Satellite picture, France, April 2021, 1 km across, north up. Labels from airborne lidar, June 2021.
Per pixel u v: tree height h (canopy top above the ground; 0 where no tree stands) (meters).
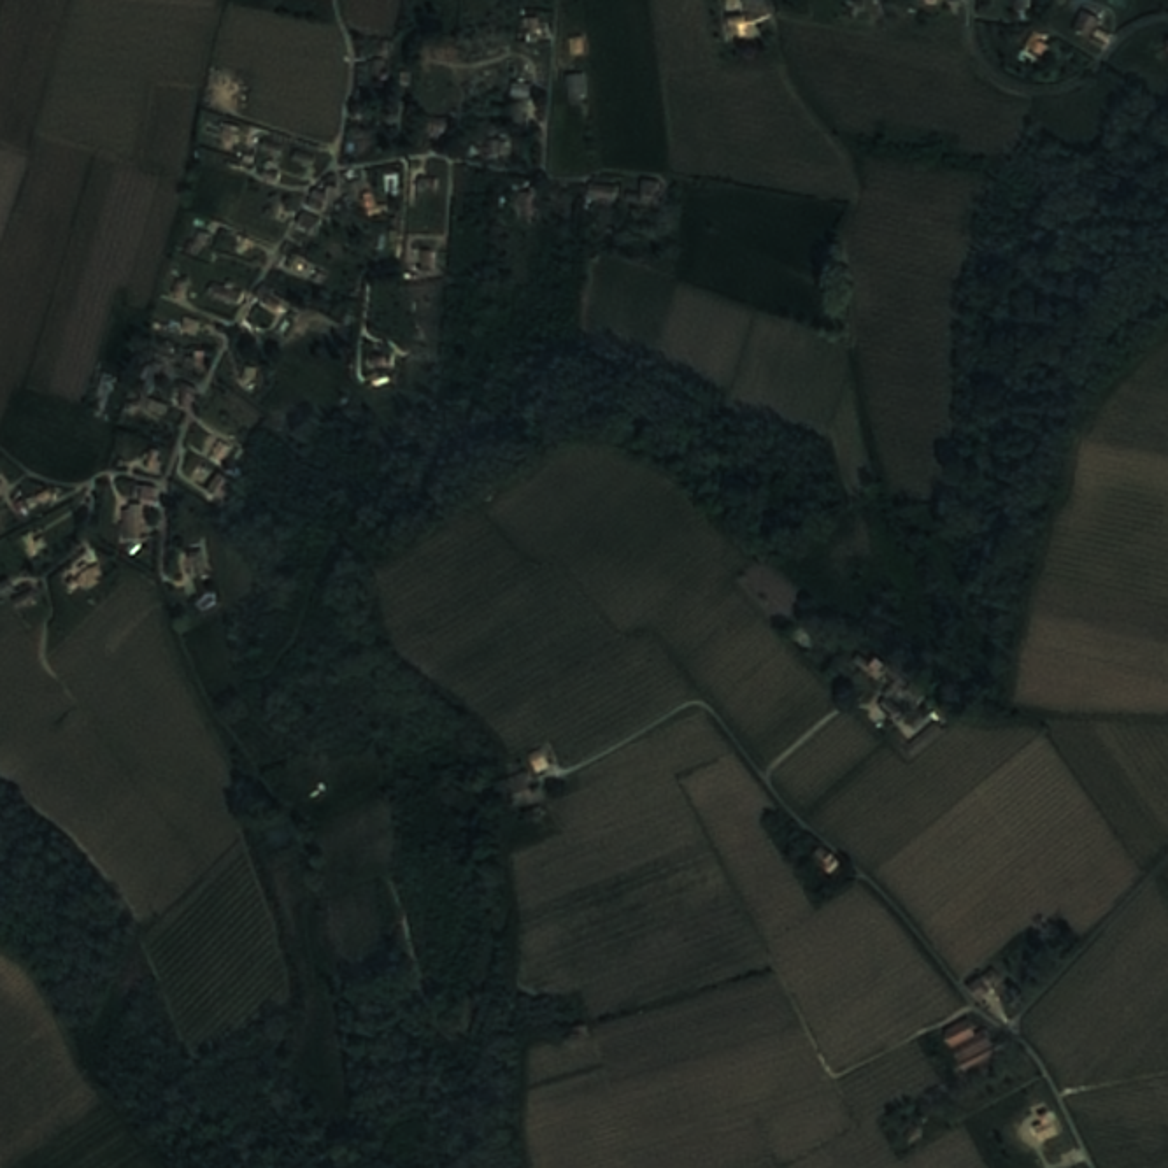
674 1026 0
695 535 0
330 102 0
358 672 18
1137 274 21
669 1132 0
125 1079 14
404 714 13
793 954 0
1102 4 0
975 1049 0
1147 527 0
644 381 22
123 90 0
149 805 0
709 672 0
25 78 0
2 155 0
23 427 0
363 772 0
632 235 9
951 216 0
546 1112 0
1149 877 0
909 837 0
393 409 0
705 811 0
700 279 0
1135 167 17
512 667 0
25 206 0
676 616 0
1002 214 7
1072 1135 0
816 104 0
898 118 0
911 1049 0
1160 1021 0
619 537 0
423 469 21
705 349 0
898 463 0
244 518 11
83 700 0
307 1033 0
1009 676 13
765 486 21
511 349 12
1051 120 0
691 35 0
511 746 0
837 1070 0
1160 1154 0
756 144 0
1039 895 0
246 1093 14
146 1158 0
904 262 0
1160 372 0
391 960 13
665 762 0
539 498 0
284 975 0
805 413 0
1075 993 0
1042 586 0
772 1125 0
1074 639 0
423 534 16
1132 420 0
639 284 0
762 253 0
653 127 0
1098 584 0
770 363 0
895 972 0
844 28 0
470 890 10
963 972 0
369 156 10
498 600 0
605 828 0
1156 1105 0
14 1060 0
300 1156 16
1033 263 16
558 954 0
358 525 13
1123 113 19
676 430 22
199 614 0
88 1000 21
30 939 12
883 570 0
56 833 11
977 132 0
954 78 0
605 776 0
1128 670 0
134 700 0
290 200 8
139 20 0
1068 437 17
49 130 0
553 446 13
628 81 0
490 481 19
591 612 0
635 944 0
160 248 0
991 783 0
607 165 0
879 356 0
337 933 0
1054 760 0
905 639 15
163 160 0
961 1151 0
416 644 0
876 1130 0
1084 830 0
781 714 0
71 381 0
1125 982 0
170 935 0
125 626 0
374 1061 13
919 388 0
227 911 0
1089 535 0
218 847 0
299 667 8
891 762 0
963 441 9
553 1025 11
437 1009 20
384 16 0
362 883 0
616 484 0
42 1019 0
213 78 0
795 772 0
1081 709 0
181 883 0
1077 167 19
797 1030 0
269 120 0
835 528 13
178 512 15
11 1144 0
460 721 18
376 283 9
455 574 0
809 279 0
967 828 0
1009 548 22
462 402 16
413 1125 9
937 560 11
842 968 0
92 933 17
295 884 0
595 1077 0
